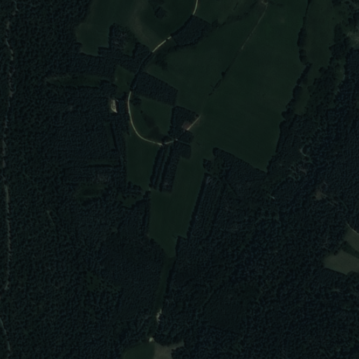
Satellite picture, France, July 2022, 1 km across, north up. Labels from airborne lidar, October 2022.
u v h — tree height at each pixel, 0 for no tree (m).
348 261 0
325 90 7
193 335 23
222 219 27
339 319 8
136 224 24
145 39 0
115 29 25
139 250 16
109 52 22
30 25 19
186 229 0
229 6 0
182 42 24
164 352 0
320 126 15
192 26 23
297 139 23
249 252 23
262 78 0
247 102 0
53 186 15
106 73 24
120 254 26
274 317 31
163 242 0
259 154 0
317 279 21
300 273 25
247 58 0
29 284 15
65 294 15
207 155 0
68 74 17
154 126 0
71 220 29
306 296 35
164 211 0
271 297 15
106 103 24
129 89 0
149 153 0
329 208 31
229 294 13
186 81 0
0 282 22
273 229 27
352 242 0
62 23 24
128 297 15
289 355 14
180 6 0
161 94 27
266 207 21
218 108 0
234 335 23
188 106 0
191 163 0
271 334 28
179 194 0
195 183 0
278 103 0
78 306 26
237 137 0
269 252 35
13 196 23
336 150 23
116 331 18
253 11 0
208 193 24
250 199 24
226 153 22
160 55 7
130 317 21
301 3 0
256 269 39
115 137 27
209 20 0
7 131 23
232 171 18
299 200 31
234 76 0
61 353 26
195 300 26
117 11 0
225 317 11
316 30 0
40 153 26
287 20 0
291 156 22
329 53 0
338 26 7
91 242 19
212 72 0
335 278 26
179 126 21
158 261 17
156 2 12
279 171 22
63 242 28
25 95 26
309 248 32
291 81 0
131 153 0
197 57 0
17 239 8
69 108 29
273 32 0
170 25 0
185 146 23
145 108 0
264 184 23
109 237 13
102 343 29
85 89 27
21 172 16
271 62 0
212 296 11
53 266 26
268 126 0
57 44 18
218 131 0
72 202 33
